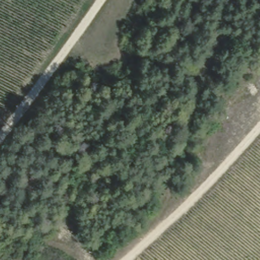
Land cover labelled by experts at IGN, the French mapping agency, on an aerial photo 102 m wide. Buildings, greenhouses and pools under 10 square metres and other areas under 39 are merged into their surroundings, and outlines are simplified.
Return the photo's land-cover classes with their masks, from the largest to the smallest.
<instances>
[{"label":"coniferous trees","instance_id":"1","mask_svg":"<svg viewBox=\"0 0 260 260\"><path fill-rule=\"evenodd\" d=\"M126 17L117 20L120 59L93 68L86 59L68 55L0 143V243L5 242L8 235L13 233L21 236L23 240H28L32 233H47L49 230L58 229V225L65 222L72 234L71 240L81 243L82 249L95 260H109L115 258L119 248L125 247L123 243L128 235L136 230V226L144 217L153 214L156 203H159L160 191L168 187L179 194L191 183V177L200 172L198 157L192 153L193 148L197 144H202L201 135L208 132L212 124L220 125L224 120L225 104L231 101L239 87L240 75L256 72L260 76V0H131Z\"/></svg>","mask_w":260,"mask_h":260},{"label":"vineyard","instance_id":"2","mask_svg":"<svg viewBox=\"0 0 260 260\"><path fill-rule=\"evenodd\" d=\"M95 0H0V131L9 116L15 112L16 106L24 101L30 89L36 85L41 77L39 73H46V68ZM133 260H260V133L202 197Z\"/></svg>","mask_w":260,"mask_h":260},{"label":"herbaceous vegetation","instance_id":"3","mask_svg":"<svg viewBox=\"0 0 260 260\"><path fill-rule=\"evenodd\" d=\"M104 5L68 55L86 59L93 68L120 59L117 20L126 17L131 0H103ZM239 87L231 101L225 104L224 120L220 125L212 124L208 132L201 135L202 144H197L193 148L192 153L198 157L200 172L191 177V183L179 194L168 187L160 191L159 203H156L153 214L144 217L136 226V230L128 235L123 243L125 247L119 248L115 258L109 260H120L160 221L174 212L260 121V76L256 72L240 75ZM58 237L48 245L63 250L76 260H95L82 249L81 243L71 240L72 234L65 222L58 225Z\"/></svg>","mask_w":260,"mask_h":260},{"label":"pervious surface","instance_id":"4","mask_svg":"<svg viewBox=\"0 0 260 260\"><path fill-rule=\"evenodd\" d=\"M104 5L103 0H95L46 68V73H39L41 77L36 85L30 89L24 101L16 106L15 112L9 116L0 131V143L68 55ZM260 133V121L174 212L160 221L120 260H133L202 197Z\"/></svg>","mask_w":260,"mask_h":260},{"label":"brushwood","instance_id":"5","mask_svg":"<svg viewBox=\"0 0 260 260\"><path fill-rule=\"evenodd\" d=\"M58 229L49 230L47 233H32L28 240H23L21 236L13 233L8 235L5 242L0 243V260H76L63 250L48 245L58 237Z\"/></svg>","mask_w":260,"mask_h":260}]
</instances>
